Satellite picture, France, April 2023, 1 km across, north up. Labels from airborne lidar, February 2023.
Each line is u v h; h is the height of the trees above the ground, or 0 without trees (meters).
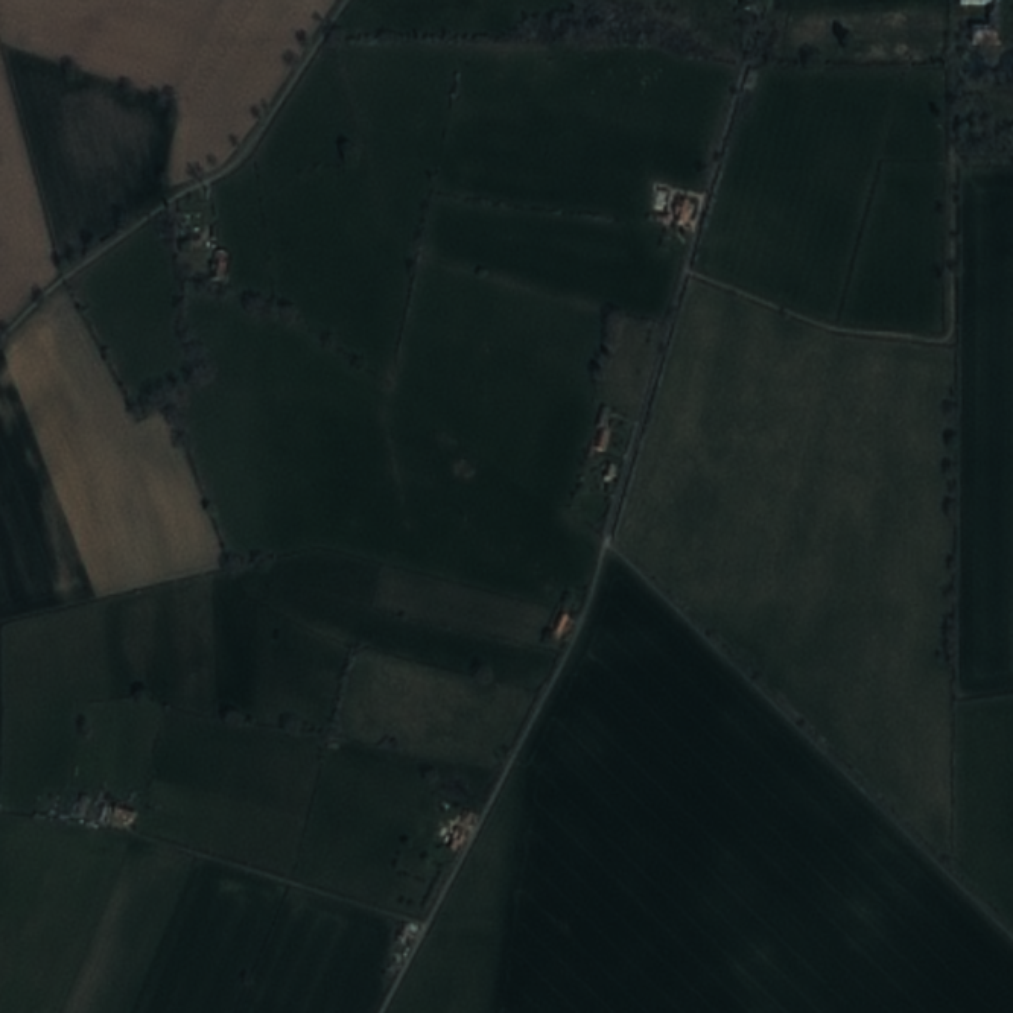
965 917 0
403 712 0
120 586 0
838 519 0
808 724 9
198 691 0
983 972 0
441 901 0
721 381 0
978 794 0
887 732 0
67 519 0
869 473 0
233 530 0
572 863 0
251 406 0
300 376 0
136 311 0
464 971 0
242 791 0
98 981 0
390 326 0
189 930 0
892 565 0
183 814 0
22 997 0
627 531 0
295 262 0
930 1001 0
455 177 0
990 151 8
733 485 0
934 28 0
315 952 0
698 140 0
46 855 0
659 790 0
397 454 0
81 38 0
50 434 0
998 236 0
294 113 0
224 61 0
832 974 0
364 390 0
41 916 0
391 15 0
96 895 0
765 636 0
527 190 0
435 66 0
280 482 0
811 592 0
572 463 0
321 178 0
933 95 0
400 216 0
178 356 0
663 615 0
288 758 0
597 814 0
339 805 0
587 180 0
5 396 0
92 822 0
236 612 0
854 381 0
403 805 0
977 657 0
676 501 0
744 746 0
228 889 0
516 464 0
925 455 0
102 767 0
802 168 0
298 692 0
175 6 0
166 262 0
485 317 0
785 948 0
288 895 0
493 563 0
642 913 0
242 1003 0
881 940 0
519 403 0
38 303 14
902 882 0
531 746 0
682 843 0
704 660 0
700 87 0
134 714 0
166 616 0
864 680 0
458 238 0
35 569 0
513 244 0
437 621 0
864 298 0
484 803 0
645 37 6
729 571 0
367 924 0
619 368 0
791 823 0
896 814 10
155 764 0
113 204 0
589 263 0
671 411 0
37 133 0
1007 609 0
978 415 0
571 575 0
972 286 0
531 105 0
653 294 0
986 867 0
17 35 0
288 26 0
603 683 0
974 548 0
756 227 0
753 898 0
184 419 15
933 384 0
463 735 0
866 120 0
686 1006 0
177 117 21
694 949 0
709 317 0
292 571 0
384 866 0
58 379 0
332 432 0
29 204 0
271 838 0
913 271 0
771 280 0
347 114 0
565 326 0
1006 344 0
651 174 0
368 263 0
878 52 0
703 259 0
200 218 0
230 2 0
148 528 0
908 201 0
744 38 13
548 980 0
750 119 0
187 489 0
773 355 0
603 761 0
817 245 0
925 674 0
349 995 0
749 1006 0
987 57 26
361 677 0
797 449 0
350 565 0
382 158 0
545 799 0
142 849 0
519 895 0
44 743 0
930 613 0
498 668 0
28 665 0
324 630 0
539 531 0
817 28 0
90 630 0
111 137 0
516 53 0
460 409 0
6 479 0
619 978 0
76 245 0
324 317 0
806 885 0
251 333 0
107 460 0
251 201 0
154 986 0
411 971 0
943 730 0
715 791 0
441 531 0
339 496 0
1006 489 0
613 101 0
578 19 7
